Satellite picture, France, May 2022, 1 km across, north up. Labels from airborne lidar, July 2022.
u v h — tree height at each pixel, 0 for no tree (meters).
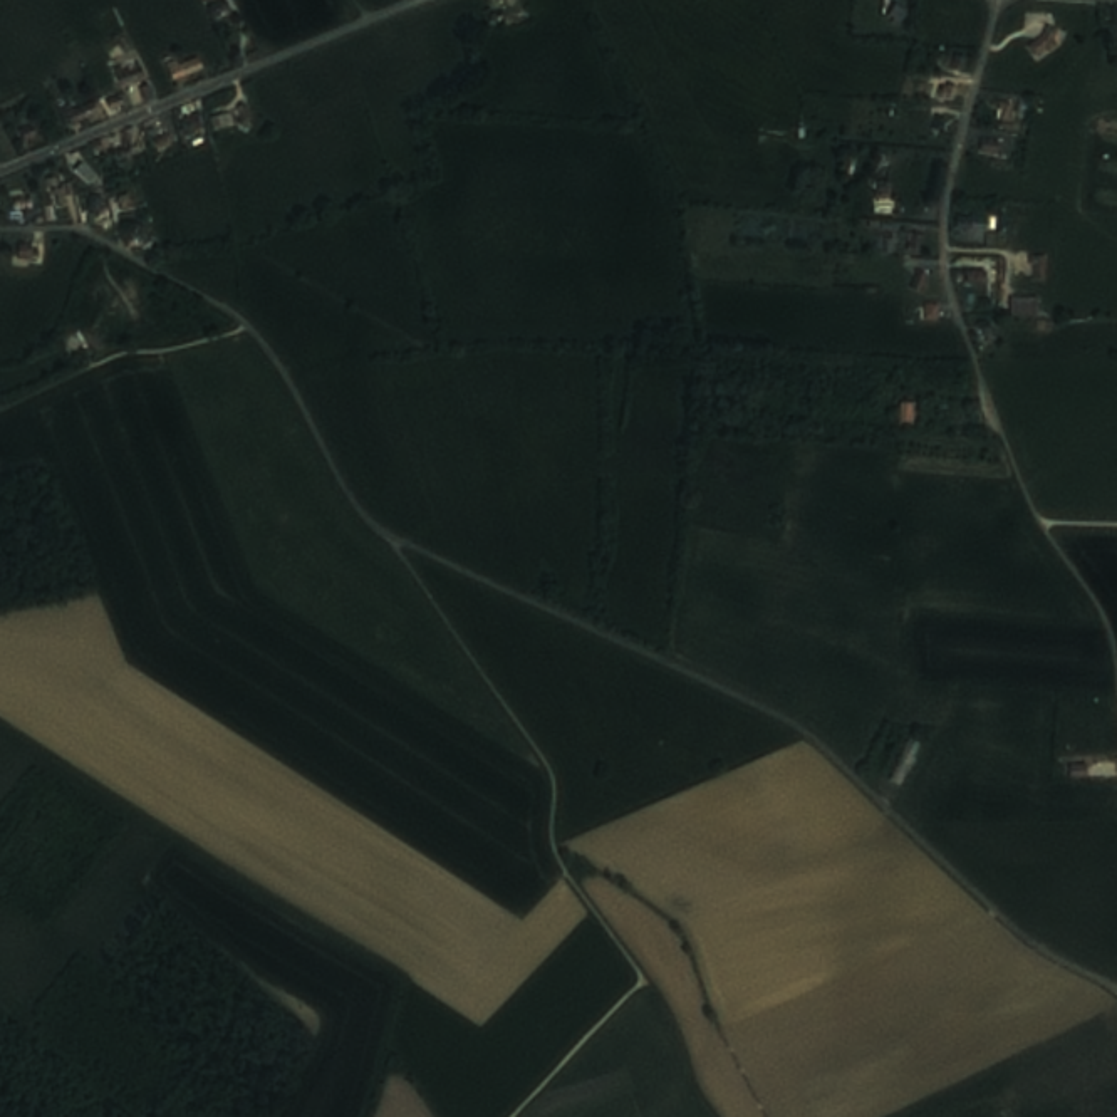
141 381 0
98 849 7
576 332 0
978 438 12
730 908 0
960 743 0
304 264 0
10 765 0
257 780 0
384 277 0
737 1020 0
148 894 0
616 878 9
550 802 0
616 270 0
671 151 0
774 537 0
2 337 0
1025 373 0
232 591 0
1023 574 0
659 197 0
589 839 0
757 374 12
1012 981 0
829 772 0
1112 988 0
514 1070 0
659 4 0
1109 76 0
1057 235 0
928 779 0
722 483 0
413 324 0
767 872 0
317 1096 0
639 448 0
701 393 21
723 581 0
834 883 0
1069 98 0
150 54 0
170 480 0
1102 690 0
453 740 0
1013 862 0
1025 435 0
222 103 0
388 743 0
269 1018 24
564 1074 0
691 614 0
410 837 0
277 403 0
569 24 0
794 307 0
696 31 0
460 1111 0
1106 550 0
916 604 0
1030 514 0
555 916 0
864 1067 0
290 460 0
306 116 0
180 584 0
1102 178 0
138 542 0
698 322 7
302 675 0
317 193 0
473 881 0
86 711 0
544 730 0
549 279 0
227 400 0
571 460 0
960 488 0
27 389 6
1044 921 0
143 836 0
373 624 0
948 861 0
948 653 0
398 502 0
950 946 0
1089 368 0
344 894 0
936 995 0
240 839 0
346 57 0
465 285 0
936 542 0
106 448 0
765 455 0
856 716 0
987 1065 0
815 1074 0
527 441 0
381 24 0
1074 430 0
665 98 0
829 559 0
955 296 0
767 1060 0
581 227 0
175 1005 6
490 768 0
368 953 0
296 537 0
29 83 0
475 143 0
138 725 0
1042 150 0
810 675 0
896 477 0
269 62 0
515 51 0
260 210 0
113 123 0
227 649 0
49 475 10
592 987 0
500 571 0
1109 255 0
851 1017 0
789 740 0
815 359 6
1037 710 0
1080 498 0
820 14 0
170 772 0
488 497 0
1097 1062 0
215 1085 17
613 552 7
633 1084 0
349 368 0
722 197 0
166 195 0
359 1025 0
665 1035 0
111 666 0
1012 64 0
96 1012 8
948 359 7
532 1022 0
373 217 0
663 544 0
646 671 0
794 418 11
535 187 0
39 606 16
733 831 0
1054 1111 0
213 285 0
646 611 0
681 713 0
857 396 7
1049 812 0
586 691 0
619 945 0
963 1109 0
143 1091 9
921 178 0
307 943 0
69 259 0
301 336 0
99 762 0
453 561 0
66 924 0
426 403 0
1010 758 0
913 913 0
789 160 0
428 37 0
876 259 6
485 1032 0
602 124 6
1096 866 0
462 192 0
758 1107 0
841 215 10
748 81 0
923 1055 0
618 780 0
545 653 0
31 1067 18
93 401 0
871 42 6
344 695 0
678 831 0
